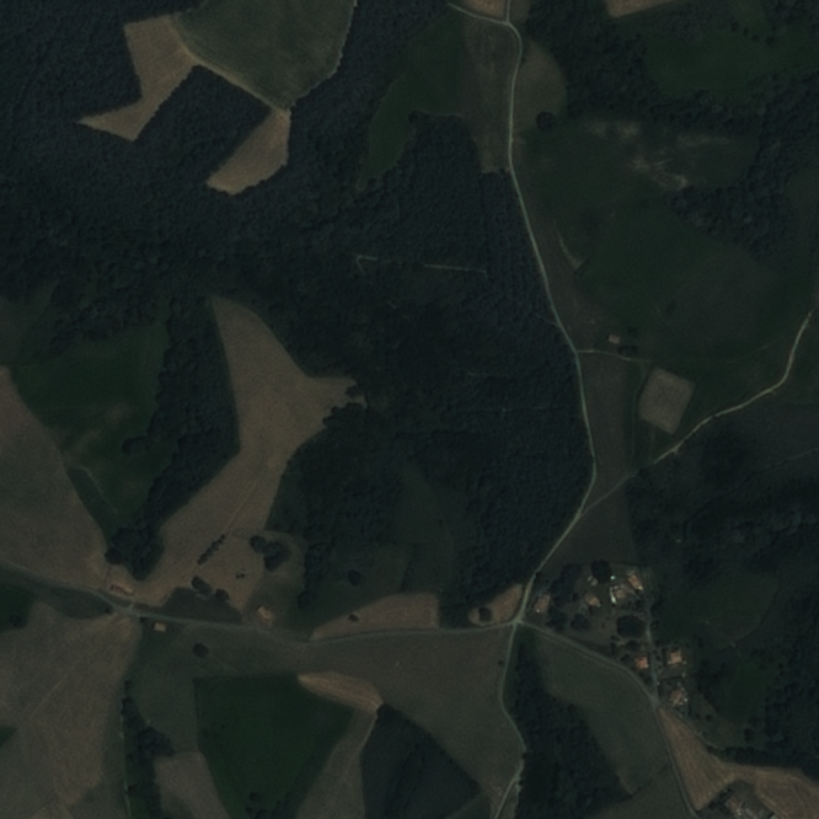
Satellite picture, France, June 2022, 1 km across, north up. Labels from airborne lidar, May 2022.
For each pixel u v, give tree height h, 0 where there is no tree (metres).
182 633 0
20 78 19
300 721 0
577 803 11
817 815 0
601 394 0
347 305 16
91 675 0
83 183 11
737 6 0
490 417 12
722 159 0
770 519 21
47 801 0
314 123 14
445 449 13
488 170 0
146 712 0
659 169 0
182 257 17
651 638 0
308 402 0
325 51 0
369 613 0
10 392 0
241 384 0
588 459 10
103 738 0
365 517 7
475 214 8
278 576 0
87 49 14
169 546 0
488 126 0
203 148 20
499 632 0
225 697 0
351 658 0
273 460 0
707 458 12
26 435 0
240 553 0
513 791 0
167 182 19
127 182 16
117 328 15
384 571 0
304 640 0
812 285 0
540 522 8
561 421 6
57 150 15
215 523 0
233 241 20
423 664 0
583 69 15
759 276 0
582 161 0
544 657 0
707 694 10
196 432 14
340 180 15
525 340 17
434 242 6
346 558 0
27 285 7
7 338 0
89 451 0
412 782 8
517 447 10
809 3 19
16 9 13
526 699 12
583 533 0
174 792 0
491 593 13
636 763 0
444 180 11
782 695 15
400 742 6
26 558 0
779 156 7
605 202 0
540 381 10
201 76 17
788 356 0
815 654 14
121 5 18
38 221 12
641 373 0
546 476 14
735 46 0
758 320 0
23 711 0
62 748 0
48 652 0
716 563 7
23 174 15
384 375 22
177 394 19
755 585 0
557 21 11
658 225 0
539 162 0
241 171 0
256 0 0
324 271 11
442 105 0
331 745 0
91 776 0
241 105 16
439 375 9
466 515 6
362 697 0
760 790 0
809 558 6
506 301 12
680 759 0
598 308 0
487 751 0
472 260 10
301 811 0
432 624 0
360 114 13
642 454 0
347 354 18
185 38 0
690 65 0
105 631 0
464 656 0
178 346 21
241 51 0
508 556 15
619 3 0
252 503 0
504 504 14
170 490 15
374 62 19
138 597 0
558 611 7
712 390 0
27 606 0
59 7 11
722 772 0
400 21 15
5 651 0
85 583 0
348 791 0
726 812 8
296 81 0
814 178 0
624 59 19
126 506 0
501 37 0
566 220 0
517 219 11
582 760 12
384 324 13
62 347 11
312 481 15
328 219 15
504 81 0
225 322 0
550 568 0
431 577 0
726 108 14
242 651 0
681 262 0
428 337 11
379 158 0
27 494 0
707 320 0
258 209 11
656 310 0
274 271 18
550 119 20
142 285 13
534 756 6
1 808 0
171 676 0
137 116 0
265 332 0
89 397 0
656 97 13
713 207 12
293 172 20
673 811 0
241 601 0
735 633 0
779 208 13
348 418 18
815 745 7
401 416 7
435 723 0
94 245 18
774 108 18
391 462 5
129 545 16
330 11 0
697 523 10
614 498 0
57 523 0
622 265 0
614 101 14
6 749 0
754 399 0
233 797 0
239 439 0
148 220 14
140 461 0
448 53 0
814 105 14
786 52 0
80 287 12
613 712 0
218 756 0
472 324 6
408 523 0
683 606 0
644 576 0
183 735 0
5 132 13
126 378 0
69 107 14
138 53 0
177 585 0
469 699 0
